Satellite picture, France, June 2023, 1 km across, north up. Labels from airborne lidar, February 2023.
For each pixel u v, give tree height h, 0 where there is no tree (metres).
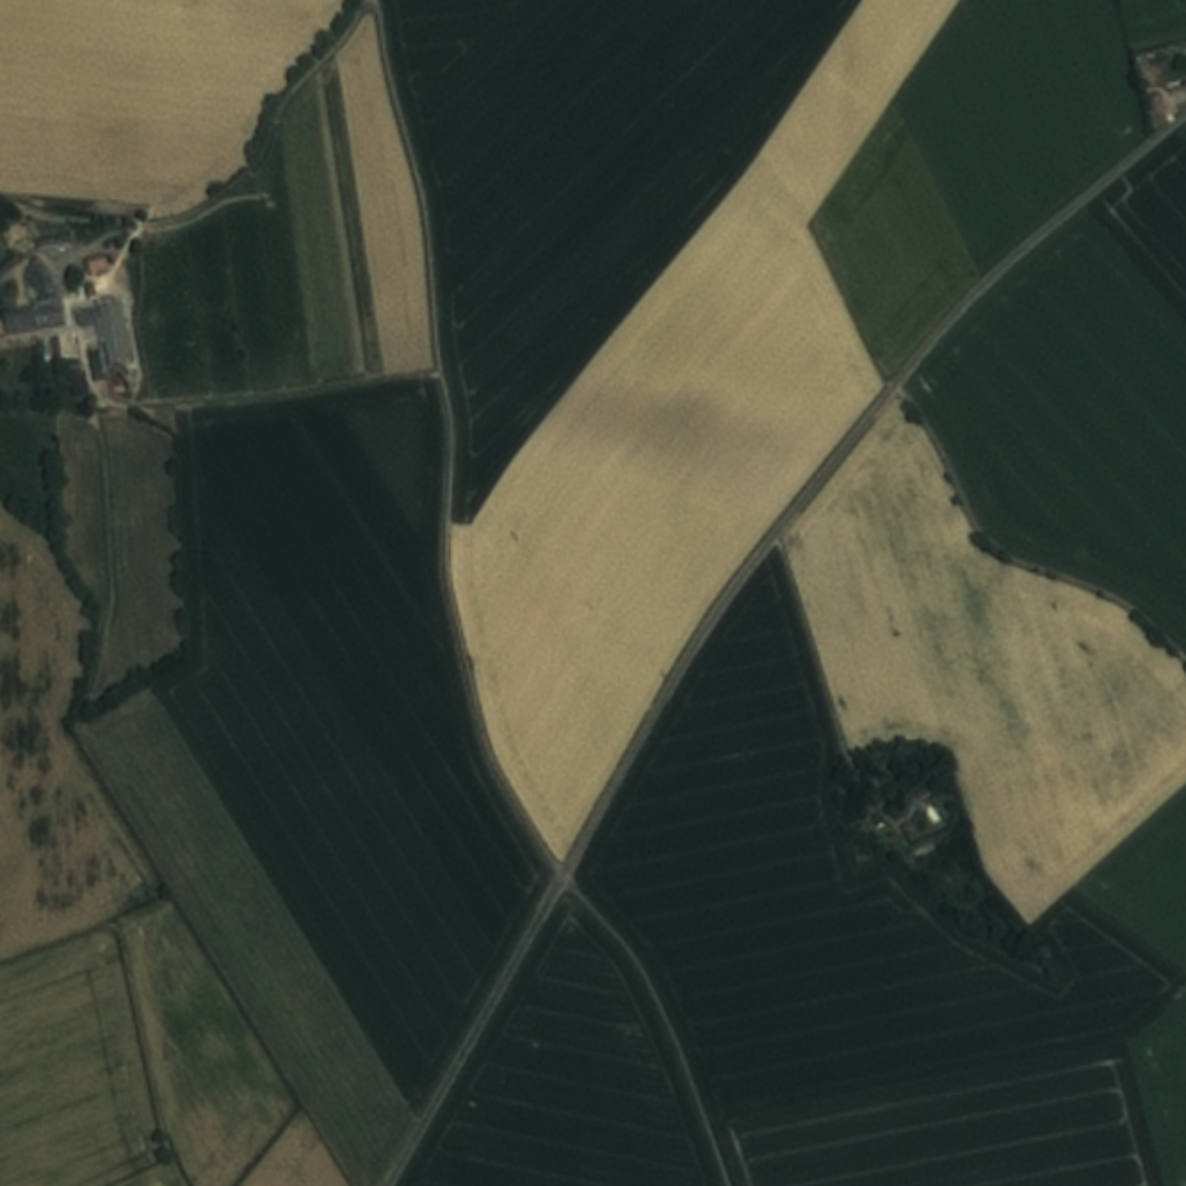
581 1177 0
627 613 0
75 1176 0
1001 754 0
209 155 0
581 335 0
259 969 0
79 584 18
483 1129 0
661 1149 0
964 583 0
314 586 0
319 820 0
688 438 0
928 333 0
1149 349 0
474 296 0
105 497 0
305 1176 0
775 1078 0
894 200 0
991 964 0
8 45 0
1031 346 0
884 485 0
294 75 14
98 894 0
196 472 0
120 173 0
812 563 0
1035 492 0
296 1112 0
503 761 0
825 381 0
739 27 0
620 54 0
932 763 9
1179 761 0
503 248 0
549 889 0
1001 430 0
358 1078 0
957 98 0
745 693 0
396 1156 0
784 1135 0
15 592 0
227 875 0
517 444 0
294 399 0
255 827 0
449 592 0
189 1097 0
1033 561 0
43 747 0
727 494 0
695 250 0
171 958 0
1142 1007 0
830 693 0
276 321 0
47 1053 0
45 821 0
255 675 0
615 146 0
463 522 0
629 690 0
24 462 0
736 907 0
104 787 0
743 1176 0
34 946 0
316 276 0
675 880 0
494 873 0
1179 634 0
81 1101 0
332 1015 0
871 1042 0
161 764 0
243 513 0
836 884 0
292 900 0
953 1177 0
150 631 0
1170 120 0
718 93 0
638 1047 0
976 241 0
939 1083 0
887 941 0
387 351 0
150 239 0
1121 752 0
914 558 0
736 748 0
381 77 0
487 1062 0
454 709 0
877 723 0
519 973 0
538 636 0
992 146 0
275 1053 0
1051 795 0
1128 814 0
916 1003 0
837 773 10
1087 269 0
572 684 0
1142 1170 0
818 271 0
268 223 0
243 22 0
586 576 0
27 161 0
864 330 0
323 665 0
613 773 0
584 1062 0
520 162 0
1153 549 0
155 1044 0
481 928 0
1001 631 0
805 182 0
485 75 0
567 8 0
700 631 0
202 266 0
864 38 0
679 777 0
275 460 0
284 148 0
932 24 0
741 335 0
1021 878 0
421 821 0
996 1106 0
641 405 0
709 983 0
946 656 0
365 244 0
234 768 0
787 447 0
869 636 0
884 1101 0
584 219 0
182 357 0
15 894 0
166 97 0
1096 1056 0
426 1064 0
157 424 8
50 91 0
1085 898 0
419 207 0
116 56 0
